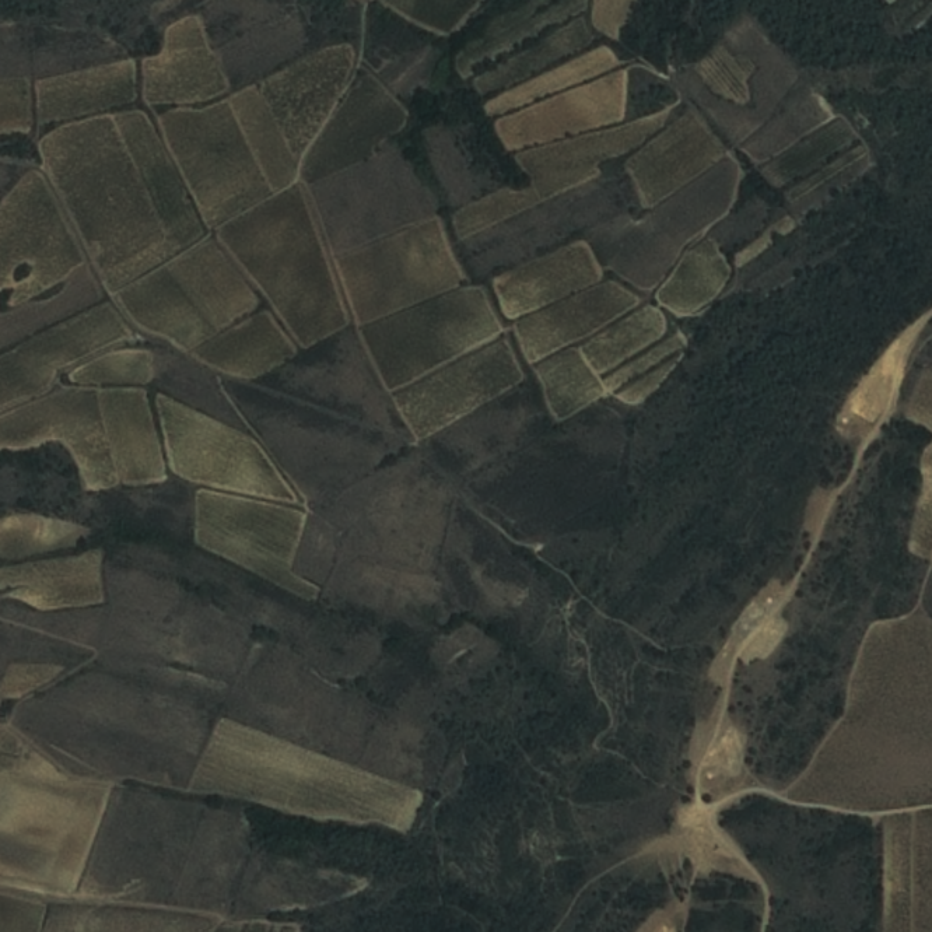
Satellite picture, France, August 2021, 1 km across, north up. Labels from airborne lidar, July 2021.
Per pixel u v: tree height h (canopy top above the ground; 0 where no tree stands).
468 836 0
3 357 0
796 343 14
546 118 0
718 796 0
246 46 0
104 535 5
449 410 0
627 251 0
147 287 0
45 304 0
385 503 0
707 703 0
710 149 0
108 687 0
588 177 0
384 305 0
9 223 0
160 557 0
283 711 0
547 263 0
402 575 0
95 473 0
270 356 0
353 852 7
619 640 0
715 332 9
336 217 0
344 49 0
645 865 0
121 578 0
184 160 0
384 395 0
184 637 0
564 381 0
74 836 0
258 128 0
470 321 0
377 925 6
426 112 10
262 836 8
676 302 0
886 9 15
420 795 0
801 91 0
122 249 0
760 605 0
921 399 0
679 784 0
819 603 0
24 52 0
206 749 0
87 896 0
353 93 0
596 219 0
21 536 0
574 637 0
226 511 0
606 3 0
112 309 0
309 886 0
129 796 0
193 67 0
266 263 0
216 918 0
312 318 0
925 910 0
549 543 0
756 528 0
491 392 0
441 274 0
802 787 0
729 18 13
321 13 7
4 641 0
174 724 0
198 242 0
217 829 0
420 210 0
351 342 0
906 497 0
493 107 0
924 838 0
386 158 0
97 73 0
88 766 0
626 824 0
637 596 0
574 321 0
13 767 0
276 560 0
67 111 0
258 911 0
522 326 0
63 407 0
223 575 0
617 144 0
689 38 6
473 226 0
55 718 0
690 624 0
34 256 0
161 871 0
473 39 13
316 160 0
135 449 0
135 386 0
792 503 0
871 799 0
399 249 0
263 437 0
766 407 8
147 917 0
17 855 0
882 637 0
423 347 0
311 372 0
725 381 6
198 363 0
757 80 0
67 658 0
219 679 0
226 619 0
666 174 0
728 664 0
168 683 0
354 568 0
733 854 0
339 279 0
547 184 0
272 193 0
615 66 0
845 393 0
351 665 0
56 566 0
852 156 0
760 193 6
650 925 0
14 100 0
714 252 0
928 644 0
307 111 0
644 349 0
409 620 0
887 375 0
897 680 0
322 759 0
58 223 0
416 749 0
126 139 0
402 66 0
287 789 0
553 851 0
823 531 0
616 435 0
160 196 0
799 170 0
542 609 0
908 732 0
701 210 0
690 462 6
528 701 7
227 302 0
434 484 0
